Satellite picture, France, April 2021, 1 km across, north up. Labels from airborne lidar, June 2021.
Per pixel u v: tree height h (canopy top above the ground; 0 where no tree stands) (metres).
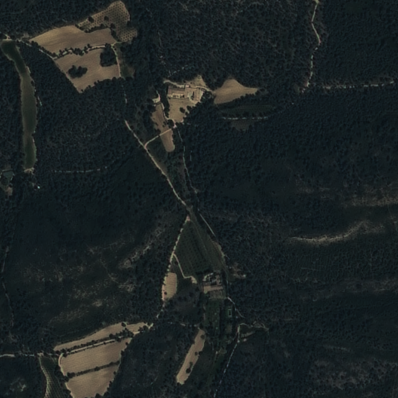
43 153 12
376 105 18
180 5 12
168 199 12
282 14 10
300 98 13
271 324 6
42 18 10
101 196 11
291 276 7
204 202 8
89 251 0
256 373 8
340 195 0
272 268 14
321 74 12
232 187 8
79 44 0
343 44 11
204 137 8
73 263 0
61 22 12
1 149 13
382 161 0
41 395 13
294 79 13
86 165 9
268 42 8
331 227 10
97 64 0
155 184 8
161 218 10
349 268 7
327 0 8
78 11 13
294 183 0
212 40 11
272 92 12
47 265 0
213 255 23
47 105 9
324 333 8
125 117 10
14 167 12
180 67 14
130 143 9
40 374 9
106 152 11
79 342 0
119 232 0
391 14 16
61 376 14
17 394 0
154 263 11
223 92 0
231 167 13
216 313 0
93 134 10
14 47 0
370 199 0
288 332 16
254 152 9
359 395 6
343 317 12
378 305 7
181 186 11
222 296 25
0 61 13
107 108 9
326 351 10
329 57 10
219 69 10
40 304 0
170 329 10
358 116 11
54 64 8
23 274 0
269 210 9
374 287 0
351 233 0
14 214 7
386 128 8
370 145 9
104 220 5
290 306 10
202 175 11
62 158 9
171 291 0
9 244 12
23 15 7
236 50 12
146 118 13
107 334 0
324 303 6
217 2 9
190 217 10
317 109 13
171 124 9
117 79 11
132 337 11
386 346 8
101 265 0
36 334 8
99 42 0
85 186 11
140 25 12
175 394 8
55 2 8
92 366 0
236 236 16
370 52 10
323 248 7
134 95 14
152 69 17
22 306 14
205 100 10
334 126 14
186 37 11
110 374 0
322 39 9
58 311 0
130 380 0
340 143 8
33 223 0
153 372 0
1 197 17
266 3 10
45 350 10
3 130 13
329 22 9
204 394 6
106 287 0
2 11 7
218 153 14
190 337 13
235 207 7
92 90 10
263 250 0
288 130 16
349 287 0
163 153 9
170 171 10
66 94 9
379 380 7
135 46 14
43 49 10
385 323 0
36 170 15
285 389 8
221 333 8
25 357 8
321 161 0
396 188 0
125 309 6
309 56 10
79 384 0
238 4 13
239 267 6
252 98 15
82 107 11
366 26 11
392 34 12
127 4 9
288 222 6
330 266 6
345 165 10
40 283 0
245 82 11
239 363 0
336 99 15
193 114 14
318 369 8
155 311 8
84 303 0
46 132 10
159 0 13
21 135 14
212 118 12
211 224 13
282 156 9
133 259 7
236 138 13
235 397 8
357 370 0
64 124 8
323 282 6
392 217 0
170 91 0
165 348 0
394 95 17
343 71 12
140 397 10
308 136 10
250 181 6
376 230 0
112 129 11
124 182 8
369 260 7
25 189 13
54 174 11
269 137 14
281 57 11
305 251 6
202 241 22
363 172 8
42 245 0
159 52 15
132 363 0
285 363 9
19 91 10
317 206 10
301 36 14
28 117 0
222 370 6
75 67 7
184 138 16
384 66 9
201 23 10
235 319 10
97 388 0
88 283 0
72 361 0
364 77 12
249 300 10
